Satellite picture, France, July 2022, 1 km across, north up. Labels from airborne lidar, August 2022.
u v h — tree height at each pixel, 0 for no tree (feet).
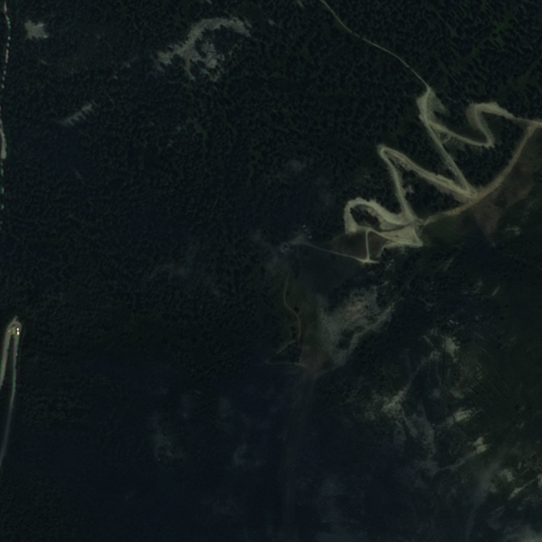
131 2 74
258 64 62
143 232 84
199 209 45
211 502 22
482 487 0
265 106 56
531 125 0
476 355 0
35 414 20
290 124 58
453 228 0
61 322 23
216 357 38
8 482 23
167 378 33
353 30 92
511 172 0
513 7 24
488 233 0
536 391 0
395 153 0
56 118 58
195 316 19
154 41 55
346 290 33
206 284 57
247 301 38
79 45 51
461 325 18
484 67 47
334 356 0
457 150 0
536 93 110
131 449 39
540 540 0
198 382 26
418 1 40
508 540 0
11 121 91
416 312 22
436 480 0
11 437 38
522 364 0
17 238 35
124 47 40
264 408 28
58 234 21
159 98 62
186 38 19
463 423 0
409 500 0
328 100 22
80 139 58
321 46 96
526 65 74
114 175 58
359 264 0
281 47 62
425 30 72
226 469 51
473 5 26
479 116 0
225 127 61
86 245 22
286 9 46
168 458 22
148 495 18
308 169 60
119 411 29
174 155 69
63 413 29
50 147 68
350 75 59
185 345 20
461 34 83
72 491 26
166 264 48
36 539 20
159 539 47
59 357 18
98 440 56
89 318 21
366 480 0
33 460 87
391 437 0
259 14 0
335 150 19
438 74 20
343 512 18
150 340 18
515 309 0
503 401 0
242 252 32
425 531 0
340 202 55
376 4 85
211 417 30
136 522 54
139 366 20
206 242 86
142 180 59
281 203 59
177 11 69
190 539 41
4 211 32
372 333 0
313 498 0
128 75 58
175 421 22
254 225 53
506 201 0
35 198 85
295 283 0
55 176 74
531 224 0
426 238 0
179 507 42
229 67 49
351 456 0
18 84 87
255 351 29
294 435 0
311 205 43
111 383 30
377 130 93
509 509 0
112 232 67
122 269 22
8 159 20
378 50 27
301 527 19
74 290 26
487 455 0
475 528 0
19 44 65
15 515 24
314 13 75
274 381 25
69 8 54
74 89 65
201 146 48
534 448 0
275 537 22
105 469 51
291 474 0
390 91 92
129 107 74
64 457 28
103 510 45
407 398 0
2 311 38
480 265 18
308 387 0
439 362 0
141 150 64
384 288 0
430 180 0
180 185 73
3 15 85
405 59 22
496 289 0
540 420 0
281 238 35
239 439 33
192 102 37
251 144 35
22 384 21
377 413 0
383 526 0
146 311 72
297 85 20
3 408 30
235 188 50
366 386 0
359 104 19
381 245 0
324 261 0
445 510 0
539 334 0
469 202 0
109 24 48
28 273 81
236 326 47
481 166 73
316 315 0
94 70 48
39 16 51
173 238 69
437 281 21
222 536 46
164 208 52
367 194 42
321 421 0
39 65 77
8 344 0
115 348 18
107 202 59
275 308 31
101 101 60
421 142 68
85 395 34
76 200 81
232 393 38
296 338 42
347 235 0
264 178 28
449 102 100
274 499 27
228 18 23
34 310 30
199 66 22
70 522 27
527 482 0
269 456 29
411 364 0
